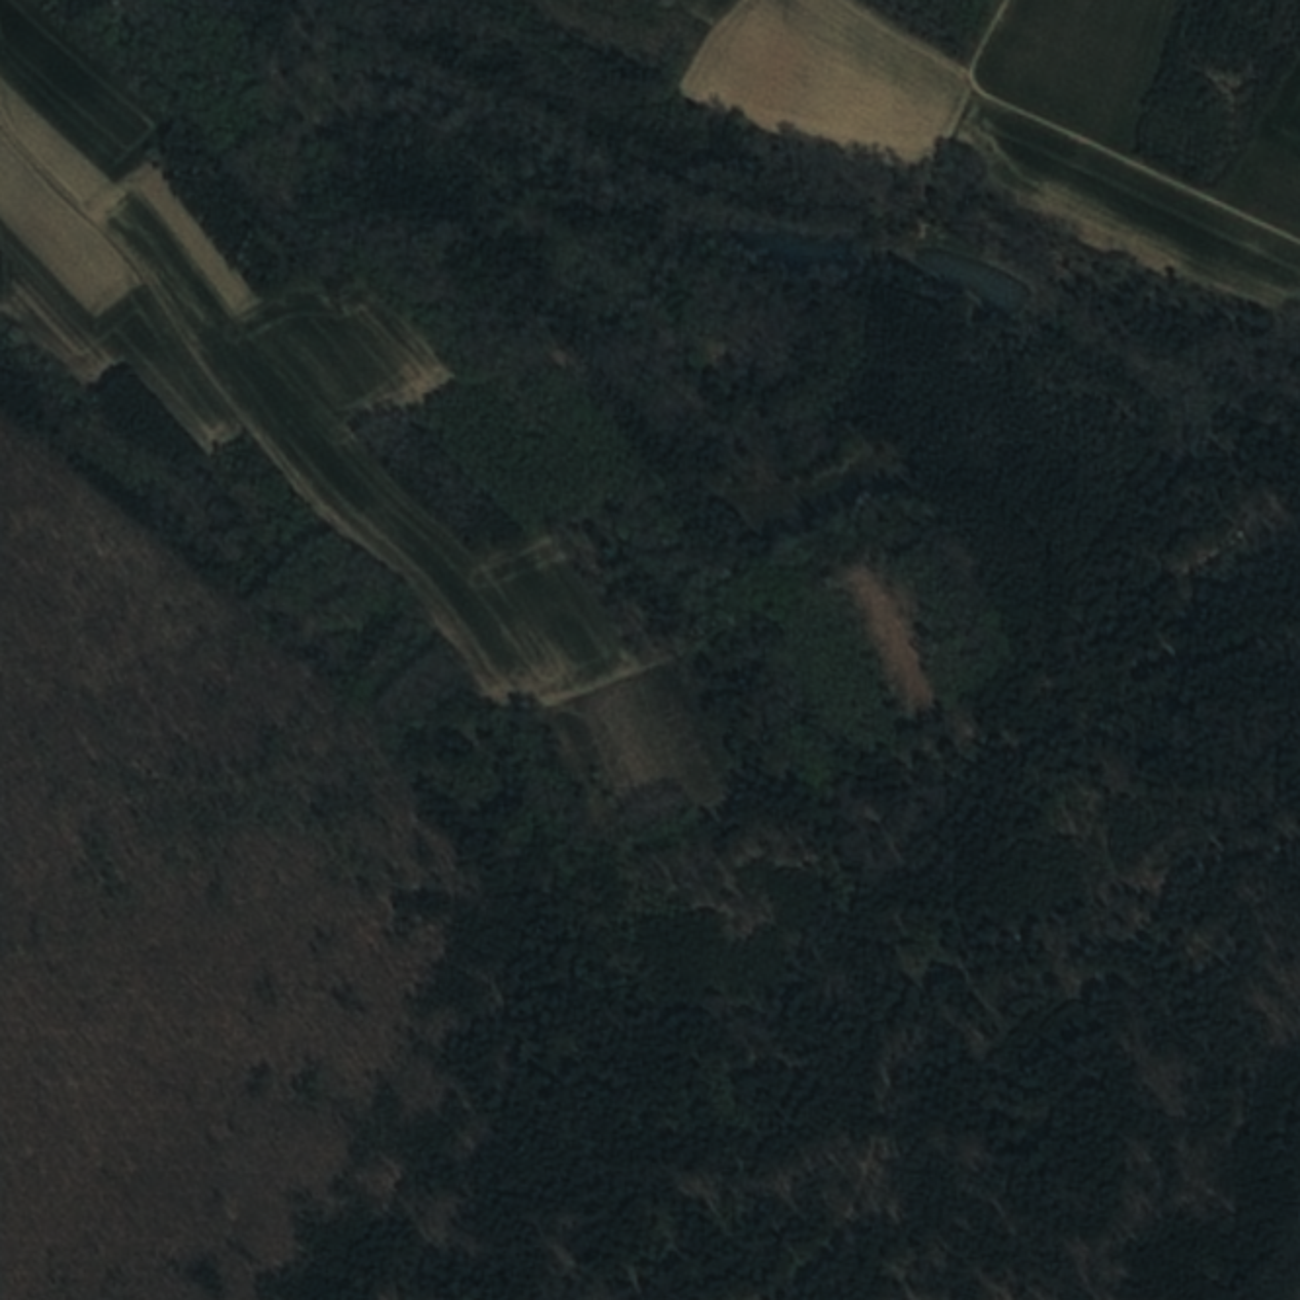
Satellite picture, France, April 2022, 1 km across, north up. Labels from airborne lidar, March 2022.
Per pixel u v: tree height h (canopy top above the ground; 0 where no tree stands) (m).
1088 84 0
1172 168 12
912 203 32
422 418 16
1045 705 12
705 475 29
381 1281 30
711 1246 28
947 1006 28
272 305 0
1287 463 25
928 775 21
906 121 0
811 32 0
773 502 0
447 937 15
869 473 0
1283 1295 17
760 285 24
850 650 16
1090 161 0
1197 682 28
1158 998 27
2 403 24
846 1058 28
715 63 0
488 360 29
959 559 34
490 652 0
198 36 27
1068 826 19
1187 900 22
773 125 0
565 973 26
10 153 0
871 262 17
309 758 22
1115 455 20
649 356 36
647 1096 27
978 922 27
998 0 20
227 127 24
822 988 20
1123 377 27
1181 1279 24
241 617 19
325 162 19
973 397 27
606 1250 22
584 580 20
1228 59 8
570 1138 25
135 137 0
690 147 16
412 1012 18
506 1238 22
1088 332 27
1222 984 28
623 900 13
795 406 22
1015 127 0
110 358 0
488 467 18
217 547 27
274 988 18
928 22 22
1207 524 20
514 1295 29
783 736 24
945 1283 24
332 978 18
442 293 26
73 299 0
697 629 19
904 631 0
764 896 7
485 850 29
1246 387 25
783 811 29
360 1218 17
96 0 21
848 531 26
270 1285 15
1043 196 0
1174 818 11
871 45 0
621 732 0
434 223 19
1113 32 0
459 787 11
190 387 0
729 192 32
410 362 0
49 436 28
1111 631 24
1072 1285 20
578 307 16
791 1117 27
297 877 22
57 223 0
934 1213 25
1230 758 27
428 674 31
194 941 18
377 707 17
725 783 0
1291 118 0
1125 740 25
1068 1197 24
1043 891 13
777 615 25
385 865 19
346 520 0
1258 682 24
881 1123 20
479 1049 25
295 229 23
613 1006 20
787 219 25
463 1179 28
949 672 26
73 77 0
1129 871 9
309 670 27
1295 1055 18
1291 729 21
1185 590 13
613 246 15
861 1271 27
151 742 24
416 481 25
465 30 24
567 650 0
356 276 26
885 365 22
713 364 23
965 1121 24
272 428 0
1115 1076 27
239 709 22
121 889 21
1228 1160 22
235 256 16
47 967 16
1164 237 0
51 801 22
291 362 0
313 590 27
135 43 21
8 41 0
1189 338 30
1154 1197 22
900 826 27
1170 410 17
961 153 18
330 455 0
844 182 34
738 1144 24
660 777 0
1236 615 26
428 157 17
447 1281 28
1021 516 24
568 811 30
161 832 22
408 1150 15
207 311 0
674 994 14
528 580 0
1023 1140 29
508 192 12
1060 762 30
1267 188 0
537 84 26
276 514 9
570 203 16
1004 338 22
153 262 0
